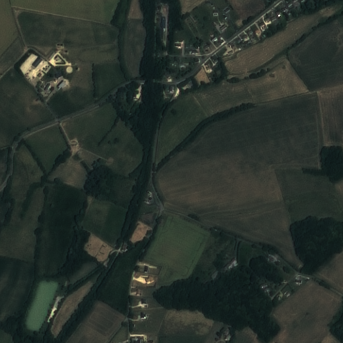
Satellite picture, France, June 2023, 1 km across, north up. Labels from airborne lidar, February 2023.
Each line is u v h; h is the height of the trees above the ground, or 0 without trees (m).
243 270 19
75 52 0
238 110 11
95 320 0
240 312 24
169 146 0
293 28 0
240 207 0
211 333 0
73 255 18
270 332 20
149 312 0
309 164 0
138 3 0
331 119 0
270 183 0
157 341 0
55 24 0
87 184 15
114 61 0
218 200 0
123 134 0
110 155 0
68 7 0
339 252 18
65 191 0
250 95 0
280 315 0
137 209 19
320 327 0
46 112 0
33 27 0
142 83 0
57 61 0
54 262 0
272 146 0
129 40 0
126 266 0
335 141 0
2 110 0
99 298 13
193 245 0
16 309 0
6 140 0
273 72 0
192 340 0
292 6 0
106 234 0
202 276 0
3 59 0
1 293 0
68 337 8
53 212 0
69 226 0
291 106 0
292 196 0
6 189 13
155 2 9
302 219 0
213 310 24
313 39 0
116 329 0
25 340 10
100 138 0
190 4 0
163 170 0
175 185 0
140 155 0
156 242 0
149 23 12
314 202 0
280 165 0
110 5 0
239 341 0
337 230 21
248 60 0
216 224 0
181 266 0
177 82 0
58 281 0
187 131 0
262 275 18
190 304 26
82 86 0
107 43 0
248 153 0
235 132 0
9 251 0
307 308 0
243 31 0
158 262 0
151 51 16
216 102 0
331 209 0
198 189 0
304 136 0
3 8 0
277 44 0
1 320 0
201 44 9
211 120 10
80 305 13
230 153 0
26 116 0
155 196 0
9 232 0
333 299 0
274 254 9
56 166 13
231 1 0
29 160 0
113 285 0
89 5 0
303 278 0
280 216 0
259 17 0
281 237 0
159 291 10
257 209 0
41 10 0
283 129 0
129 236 13
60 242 0
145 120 21
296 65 0
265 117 0
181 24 13
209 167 0
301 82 0
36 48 0
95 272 8
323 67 0
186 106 0
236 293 20
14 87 0
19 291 0
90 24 0
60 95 0
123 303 0
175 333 0
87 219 0
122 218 0
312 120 0
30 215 0
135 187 13
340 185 0
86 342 0
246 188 0
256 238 0
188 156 0
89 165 0
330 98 0
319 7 13
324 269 0
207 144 0
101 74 0
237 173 0
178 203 0
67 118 0
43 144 0
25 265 0
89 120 0
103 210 0
